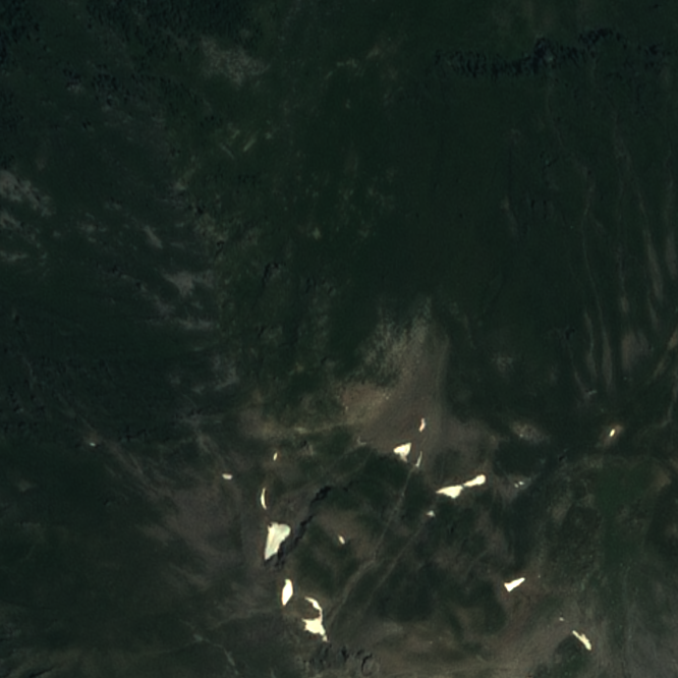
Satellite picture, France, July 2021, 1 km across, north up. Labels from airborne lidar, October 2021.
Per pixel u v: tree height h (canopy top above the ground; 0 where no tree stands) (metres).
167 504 0
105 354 0
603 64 0
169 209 0
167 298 0
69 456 0
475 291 0
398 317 0
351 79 0
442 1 0
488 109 0
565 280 0
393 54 0
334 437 0
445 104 0
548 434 0
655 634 0
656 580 0
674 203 0
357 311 0
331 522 0
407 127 0
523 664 0
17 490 0
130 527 0
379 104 0
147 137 0
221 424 0
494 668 0
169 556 0
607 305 0
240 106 0
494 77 11
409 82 0
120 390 0
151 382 0
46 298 0
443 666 0
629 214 0
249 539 0
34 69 0
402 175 0
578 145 0
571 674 0
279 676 0
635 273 0
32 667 0
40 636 0
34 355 0
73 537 0
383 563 0
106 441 0
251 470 0
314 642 0
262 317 0
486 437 0
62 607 0
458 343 0
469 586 0
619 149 0
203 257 0
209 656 0
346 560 0
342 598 0
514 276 0
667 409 0
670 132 0
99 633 0
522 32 0
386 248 0
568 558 0
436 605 0
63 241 0
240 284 0
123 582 0
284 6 0
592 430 0
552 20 0
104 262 0
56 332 0
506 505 0
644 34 0
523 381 0
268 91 0
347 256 0
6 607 0
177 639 0
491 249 0
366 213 0
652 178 0
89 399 0
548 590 0
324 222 0
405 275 0
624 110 0
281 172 0
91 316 0
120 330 0
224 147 0
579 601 0
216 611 0
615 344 0
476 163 0
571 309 0
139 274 0
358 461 0
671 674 0
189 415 0
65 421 0
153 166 0
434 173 0
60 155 0
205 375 0
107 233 0
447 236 0
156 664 0
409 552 0
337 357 0
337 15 0
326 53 0
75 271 0
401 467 0
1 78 0
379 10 0
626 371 0
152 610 0
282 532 0
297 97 0
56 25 0
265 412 0
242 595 0
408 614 0
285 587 0
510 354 0
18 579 0
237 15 12
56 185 0
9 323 0
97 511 0
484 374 0
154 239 0
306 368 0
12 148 0
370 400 0
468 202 0
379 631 0
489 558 0
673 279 0
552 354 0
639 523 0
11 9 11
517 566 0
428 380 0
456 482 0
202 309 0
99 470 0
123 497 0
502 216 0
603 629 0
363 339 0
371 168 0
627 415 0
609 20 0
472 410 0
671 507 0
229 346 0
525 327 0
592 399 0
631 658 0
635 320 0
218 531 0
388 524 0
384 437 0
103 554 0
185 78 0
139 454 0
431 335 0
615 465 0
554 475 0
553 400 0
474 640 0
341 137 0
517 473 0
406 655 0
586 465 0
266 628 0
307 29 0
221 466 0
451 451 0
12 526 0
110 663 0
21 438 0
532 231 0
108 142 0
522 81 0
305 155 0
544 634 0
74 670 0
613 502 0
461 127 0
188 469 0
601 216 0
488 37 0
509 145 0
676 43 0
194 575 0
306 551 0
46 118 0
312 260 0
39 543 0
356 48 0
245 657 0
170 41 7
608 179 0
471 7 0
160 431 0
